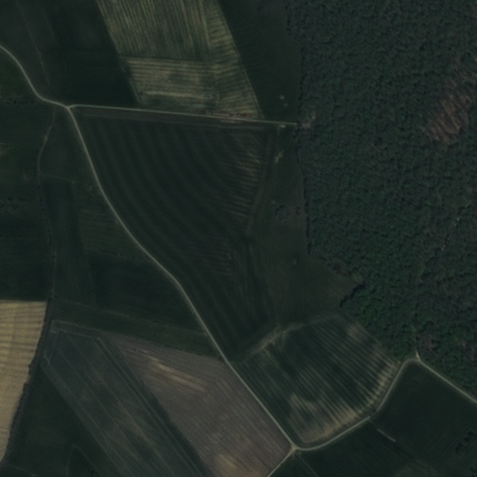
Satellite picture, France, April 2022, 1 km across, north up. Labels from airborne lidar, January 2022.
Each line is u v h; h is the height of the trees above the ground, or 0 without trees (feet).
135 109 0
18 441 0
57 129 0
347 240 72
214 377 0
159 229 0
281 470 0
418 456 0
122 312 0
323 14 83
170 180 0
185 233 0
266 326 0
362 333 0
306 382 0
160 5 0
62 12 0
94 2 0
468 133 80
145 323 0
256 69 0
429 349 89
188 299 0
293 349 0
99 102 0
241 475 0
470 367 73
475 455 0
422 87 59
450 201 72
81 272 0
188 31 0
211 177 0
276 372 0
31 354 0
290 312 0
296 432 0
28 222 0
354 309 59
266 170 0
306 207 26
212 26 0
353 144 52
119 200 0
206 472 0
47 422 0
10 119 0
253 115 0
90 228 0
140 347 0
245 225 0
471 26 79
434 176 72
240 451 0
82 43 0
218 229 0
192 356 0
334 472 0
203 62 0
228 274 0
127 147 0
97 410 0
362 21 75
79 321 0
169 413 0
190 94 0
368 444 0
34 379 0
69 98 0
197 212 0
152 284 0
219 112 0
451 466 0
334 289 0
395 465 0
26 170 0
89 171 0
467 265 69
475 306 82
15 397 0
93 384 0
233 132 0
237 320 0
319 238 61
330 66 77
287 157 0
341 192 69
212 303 0
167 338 0
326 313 0
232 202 0
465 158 74
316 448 0
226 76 0
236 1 0
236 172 0
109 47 0
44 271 0
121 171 0
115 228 0
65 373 0
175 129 0
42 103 0
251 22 0
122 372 0
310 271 0
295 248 0
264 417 0
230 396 0
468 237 71
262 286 0
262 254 0
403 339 71
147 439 0
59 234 0
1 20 0
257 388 0
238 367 0
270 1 0
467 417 0
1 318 0
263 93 0
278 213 21
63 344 0
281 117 0
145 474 0
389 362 0
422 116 80
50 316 41
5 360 0
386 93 76
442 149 75
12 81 0
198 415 0
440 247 67
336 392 0
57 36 0
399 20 75
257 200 0
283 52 0
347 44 74
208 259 0
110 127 0
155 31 0
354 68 67
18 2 0
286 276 0
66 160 0
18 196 0
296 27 63
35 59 0
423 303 71
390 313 77
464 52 78
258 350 0
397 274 70
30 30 0
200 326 0
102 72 0
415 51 59
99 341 0
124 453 0
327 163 69
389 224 54
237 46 0
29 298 0
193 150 0
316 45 56
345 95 69
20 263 0
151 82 0
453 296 78
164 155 0
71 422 0
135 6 0
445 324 86
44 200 24
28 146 0
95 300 0
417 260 71
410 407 0
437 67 68
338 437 0
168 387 0
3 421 0
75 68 0
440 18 74
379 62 61
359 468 0
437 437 0
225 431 0
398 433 0
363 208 55
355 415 0
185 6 0
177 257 0
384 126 71
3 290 0
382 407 0
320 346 0
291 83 0
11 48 0
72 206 0
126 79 0
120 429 0
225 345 0
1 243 0
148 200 0
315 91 66
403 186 70
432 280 83
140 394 0
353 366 0
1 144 0
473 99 91
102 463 0
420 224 64
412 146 63
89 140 0
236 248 0
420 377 0
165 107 0
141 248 0
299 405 0
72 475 0
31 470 0
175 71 0
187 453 0
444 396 0
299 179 0
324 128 58
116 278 0
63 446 0
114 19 0
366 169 59
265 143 0
